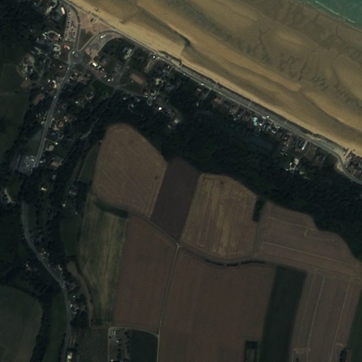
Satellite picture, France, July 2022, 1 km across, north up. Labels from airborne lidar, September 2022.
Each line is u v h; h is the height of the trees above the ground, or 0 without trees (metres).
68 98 8
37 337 8
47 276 27
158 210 0
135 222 0
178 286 0
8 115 0
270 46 0
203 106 8
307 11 0
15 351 0
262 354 0
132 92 0
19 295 0
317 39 0
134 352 0
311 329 0
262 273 0
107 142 0
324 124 0
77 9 0
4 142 0
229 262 0
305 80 0
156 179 0
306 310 0
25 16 10
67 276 16
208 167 0
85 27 0
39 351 8
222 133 9
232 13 0
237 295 0
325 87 0
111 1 0
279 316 0
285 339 0
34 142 0
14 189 0
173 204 0
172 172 0
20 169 0
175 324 0
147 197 0
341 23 0
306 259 0
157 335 0
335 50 0
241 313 0
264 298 0
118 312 0
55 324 0
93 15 0
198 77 0
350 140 0
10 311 0
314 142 0
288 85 0
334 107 0
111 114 7
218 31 0
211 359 0
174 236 0
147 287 0
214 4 0
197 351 0
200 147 6
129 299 0
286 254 0
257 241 0
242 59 0
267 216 0
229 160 6
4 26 9
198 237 0
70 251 0
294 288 0
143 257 0
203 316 0
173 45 0
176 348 0
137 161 0
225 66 0
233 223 0
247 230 0
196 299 0
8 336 0
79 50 0
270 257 0
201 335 0
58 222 15
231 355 0
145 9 0
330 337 0
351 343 0
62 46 0
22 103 0
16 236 0
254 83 0
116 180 0
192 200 0
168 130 0
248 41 0
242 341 0
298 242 0
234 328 0
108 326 0
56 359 0
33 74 11
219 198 0
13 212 17
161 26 0
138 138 0
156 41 0
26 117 15
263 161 13
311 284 0
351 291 0
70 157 10
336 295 0
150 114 8
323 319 0
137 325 0
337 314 0
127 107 10
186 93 6
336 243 0
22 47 0
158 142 0
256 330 0
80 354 0
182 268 0
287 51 0
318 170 6
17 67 0
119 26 0
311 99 0
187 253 0
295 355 0
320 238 0
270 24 0
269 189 0
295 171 7
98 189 0
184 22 0
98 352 0
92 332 0
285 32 0
